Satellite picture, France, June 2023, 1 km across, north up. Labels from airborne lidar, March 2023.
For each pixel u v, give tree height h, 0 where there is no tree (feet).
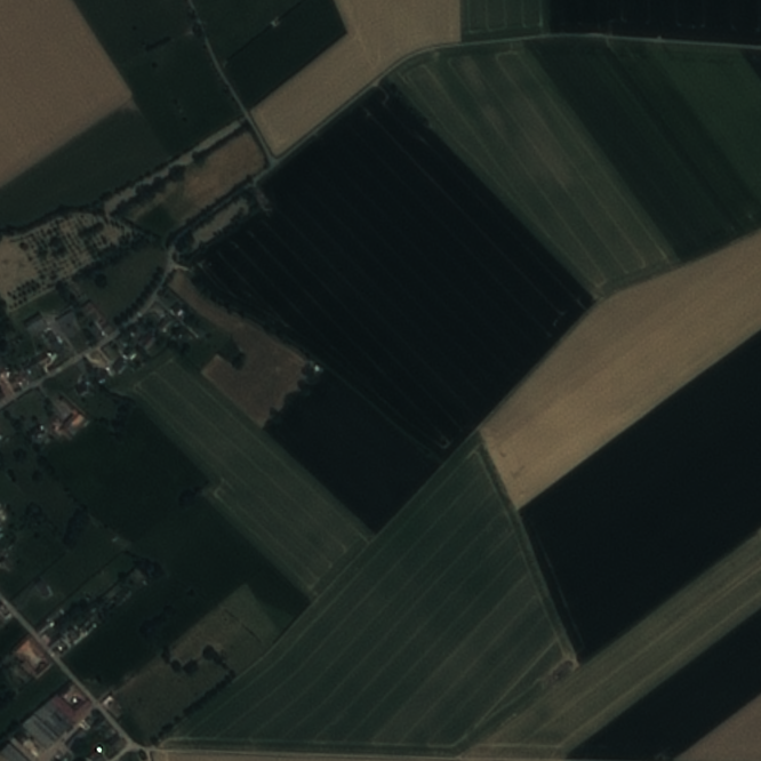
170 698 0
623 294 0
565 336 0
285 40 0
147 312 0
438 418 0
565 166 0
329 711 0
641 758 0
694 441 0
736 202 0
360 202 0
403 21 0
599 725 0
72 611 26
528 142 0
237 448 0
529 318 0
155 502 0
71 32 0
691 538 0
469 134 0
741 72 0
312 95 0
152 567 31
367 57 0
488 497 0
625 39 0
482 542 0
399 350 0
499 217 0
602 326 0
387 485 0
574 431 0
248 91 0
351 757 0
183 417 0
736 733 0
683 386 0
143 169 0
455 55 0
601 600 0
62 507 0
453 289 0
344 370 0
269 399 0
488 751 0
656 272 0
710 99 0
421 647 0
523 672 0
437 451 0
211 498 0
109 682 0
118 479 0
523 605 0
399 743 0
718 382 0
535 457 0
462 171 0
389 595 0
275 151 0
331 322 0
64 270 0
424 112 0
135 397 0
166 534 0
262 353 0
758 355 0
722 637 0
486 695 0
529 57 0
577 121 0
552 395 0
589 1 0
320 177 0
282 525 0
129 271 0
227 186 0
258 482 0
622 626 0
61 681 0
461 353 0
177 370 0
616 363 0
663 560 0
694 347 0
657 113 0
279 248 0
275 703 0
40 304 0
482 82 0
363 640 0
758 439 0
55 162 0
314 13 0
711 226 0
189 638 0
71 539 48
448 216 0
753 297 0
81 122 0
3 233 21
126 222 22
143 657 0
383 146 0
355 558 0
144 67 0
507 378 0
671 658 0
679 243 0
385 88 0
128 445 0
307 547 0
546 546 0
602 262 0
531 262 0
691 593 0
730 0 0
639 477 0
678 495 0
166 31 0
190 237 60
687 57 0
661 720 0
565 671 0
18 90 0
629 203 0
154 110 0
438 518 0
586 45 0
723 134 0
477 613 0
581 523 0
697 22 0
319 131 0
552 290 0
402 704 0
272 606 0
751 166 0
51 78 0
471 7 0
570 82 0
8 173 0
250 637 0
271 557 0
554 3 0
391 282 0
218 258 0
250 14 0
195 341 0
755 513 0
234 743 0
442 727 0
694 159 0
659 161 0
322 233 0
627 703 0
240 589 0
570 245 0
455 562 0
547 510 0
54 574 0
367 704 0
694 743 0
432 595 0
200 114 0
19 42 0
